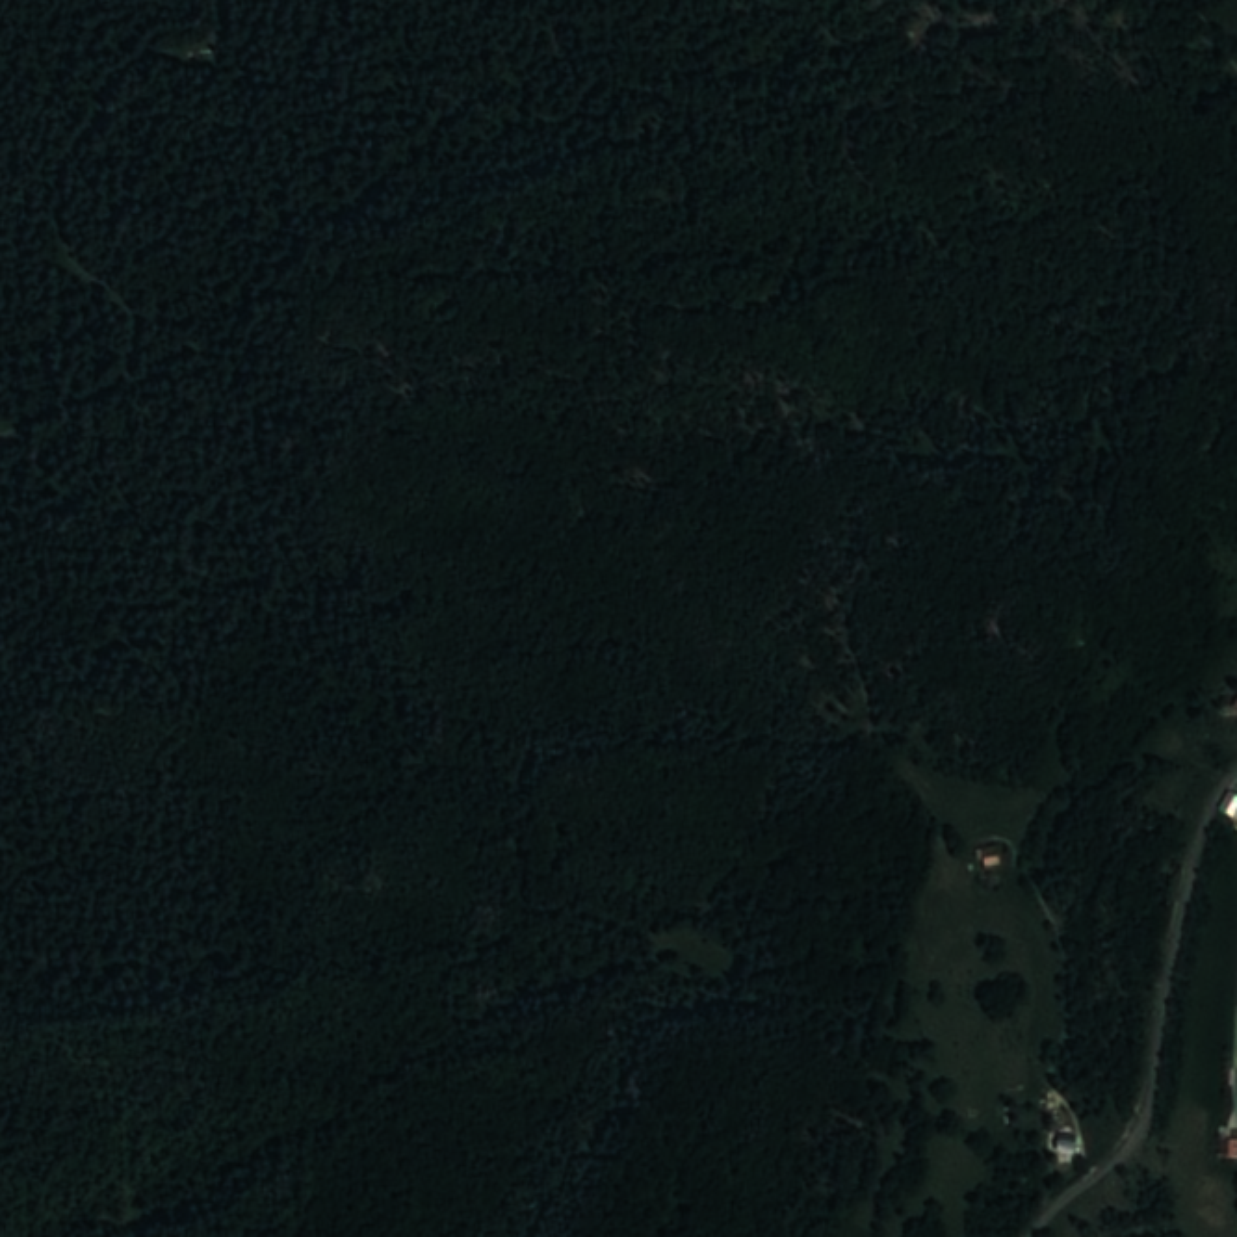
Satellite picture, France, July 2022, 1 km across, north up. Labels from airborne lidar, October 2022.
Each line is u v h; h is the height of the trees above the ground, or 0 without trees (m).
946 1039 0
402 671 24
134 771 23
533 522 18
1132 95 23
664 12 16
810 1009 30
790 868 23
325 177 14
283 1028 11
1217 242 24
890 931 19
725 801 17
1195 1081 0
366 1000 12
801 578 16
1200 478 19
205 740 11
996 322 20
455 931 8
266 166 22
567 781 24
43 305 9
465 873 7
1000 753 21
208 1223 23
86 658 36
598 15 23
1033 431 20
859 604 19
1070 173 22
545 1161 25
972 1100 0
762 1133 28
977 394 23
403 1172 13
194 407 8
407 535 15
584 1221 25
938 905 0
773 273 13
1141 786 13
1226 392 18
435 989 13
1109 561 18
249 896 15
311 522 23
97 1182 10
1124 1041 9
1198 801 0
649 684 18
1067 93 22
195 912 22
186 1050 16
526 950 22
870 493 19
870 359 22
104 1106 8
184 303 20
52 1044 13
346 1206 17
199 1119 26
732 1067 27
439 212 24
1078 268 19
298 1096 19
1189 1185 0
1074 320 24
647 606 17
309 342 19
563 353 18
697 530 18
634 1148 18
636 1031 24
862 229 21
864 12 16
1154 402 24
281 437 24
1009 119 23
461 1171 19
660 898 24
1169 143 25
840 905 16
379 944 11
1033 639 21
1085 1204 0
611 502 21
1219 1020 0
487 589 19
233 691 20
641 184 16
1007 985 14
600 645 17
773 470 25
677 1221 9
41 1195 20
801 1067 26
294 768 20
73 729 13
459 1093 13
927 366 18
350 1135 22
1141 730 9
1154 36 26
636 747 28
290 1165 17
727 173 12
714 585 19
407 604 27
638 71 22
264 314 21
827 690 14
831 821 24
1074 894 9
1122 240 19
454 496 12
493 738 21
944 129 22
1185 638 20
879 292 21
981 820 0
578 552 17
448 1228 17
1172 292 23
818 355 15
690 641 15
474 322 17
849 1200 17
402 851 8
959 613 20
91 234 29
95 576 30
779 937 24
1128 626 11
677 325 23
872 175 13
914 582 20
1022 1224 16
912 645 18
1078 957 15
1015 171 22
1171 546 25
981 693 16
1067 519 28
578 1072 14
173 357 19
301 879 9
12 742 24
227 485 27
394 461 21
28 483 34
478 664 18
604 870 19
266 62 35
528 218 15
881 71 21
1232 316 19
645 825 16
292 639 21
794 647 15
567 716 22
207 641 11
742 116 20
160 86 18
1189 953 14
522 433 13
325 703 14
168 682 37
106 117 10
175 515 25
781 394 8
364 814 10
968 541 22
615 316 19
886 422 17
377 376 24
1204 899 16
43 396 16
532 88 22
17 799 23
